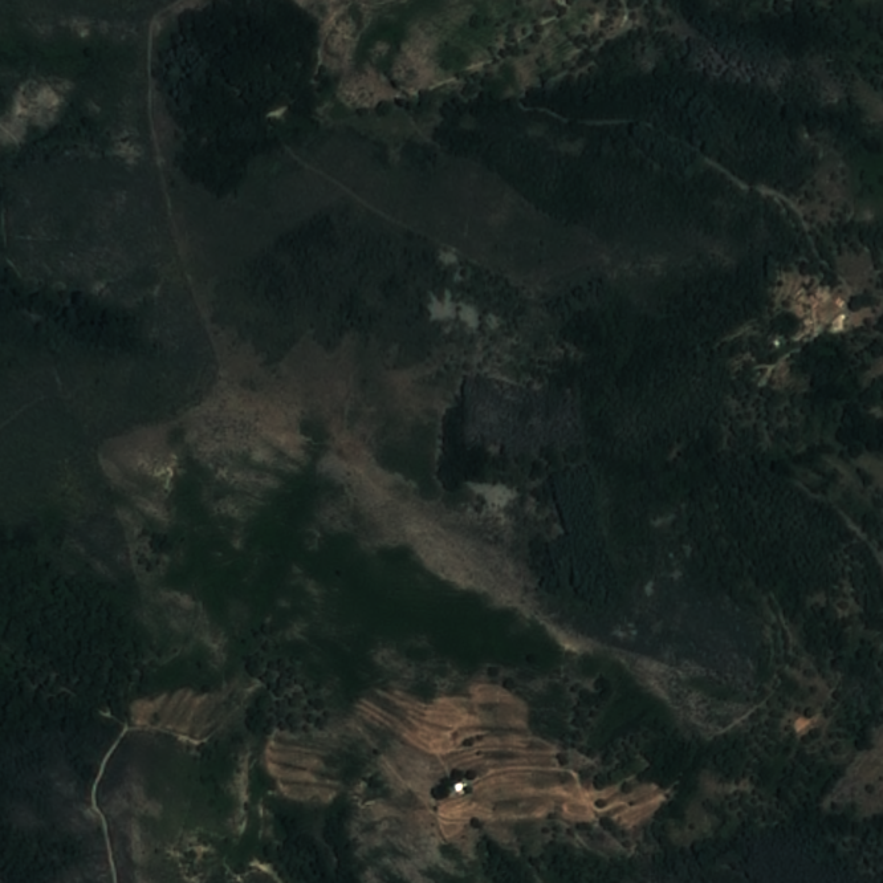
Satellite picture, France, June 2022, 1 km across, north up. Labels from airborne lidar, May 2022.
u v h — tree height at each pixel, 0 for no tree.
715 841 15
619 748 11
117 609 11
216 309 0
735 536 7
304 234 7
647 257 0
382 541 0
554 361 8
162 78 9
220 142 17
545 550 6
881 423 17
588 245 0
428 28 0
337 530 0
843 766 10
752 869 18
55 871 6
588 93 17
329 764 0
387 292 8
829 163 0
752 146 11
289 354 0
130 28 0
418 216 0
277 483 0
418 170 0
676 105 23
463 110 6
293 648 0
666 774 7
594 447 14
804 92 11
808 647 11
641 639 0
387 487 0
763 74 16
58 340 7
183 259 0
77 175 0
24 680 13
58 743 6
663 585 0
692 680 0
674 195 6
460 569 0
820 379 18
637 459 9
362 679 0
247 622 0
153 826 0
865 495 0
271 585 0
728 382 13
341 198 0
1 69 0
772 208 9
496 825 0
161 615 0
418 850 0
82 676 15
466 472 12
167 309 0
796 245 12
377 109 10
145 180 0
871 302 23
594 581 22
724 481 15
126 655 9
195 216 0
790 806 11
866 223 11
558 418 18
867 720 12
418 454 0
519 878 11
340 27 0
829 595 6
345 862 13
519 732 0
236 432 0
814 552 11
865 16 10
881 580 7
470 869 0
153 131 0
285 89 17
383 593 0
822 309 0
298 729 12
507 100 11
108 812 0
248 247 0
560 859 8
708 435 14
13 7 0
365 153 0
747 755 14
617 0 10
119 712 7
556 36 0
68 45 0
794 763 10
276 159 0
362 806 0
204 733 0
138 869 0
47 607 13
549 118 7
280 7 16
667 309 9
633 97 11
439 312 0
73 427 0
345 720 0
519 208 0
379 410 0
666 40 12
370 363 0
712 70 17
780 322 12
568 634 0
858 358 10
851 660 16
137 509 0
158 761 0
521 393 14
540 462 10
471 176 0
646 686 0
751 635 0
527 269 0
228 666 0
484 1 0
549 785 0
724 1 6
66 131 11
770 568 13
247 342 0
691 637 0
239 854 0
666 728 10
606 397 9
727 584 11
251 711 11
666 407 8
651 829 9
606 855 0
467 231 0
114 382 0
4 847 7
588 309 10
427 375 0
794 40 12
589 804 0
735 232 8
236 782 0
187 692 0
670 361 12
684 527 8
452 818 0
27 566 13
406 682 0
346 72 0
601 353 9
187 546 0
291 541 0
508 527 0
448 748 0
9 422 0
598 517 24
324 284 6
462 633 0
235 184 10
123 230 0
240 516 0
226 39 16
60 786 0
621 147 8
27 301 17
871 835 16
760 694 6
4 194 14
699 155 19
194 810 0
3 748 9
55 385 0
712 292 9
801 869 19
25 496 0
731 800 10
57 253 0
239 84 23
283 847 9
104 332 26
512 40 9
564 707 0
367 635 0
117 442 0
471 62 0
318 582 0
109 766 0
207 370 0
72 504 0
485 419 19
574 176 5
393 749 0
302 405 0
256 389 0
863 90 0
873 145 16
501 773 0
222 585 0
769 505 9
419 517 0
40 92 0
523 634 0
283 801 0
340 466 0
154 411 0
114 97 0
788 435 16
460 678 0
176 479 0
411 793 0
